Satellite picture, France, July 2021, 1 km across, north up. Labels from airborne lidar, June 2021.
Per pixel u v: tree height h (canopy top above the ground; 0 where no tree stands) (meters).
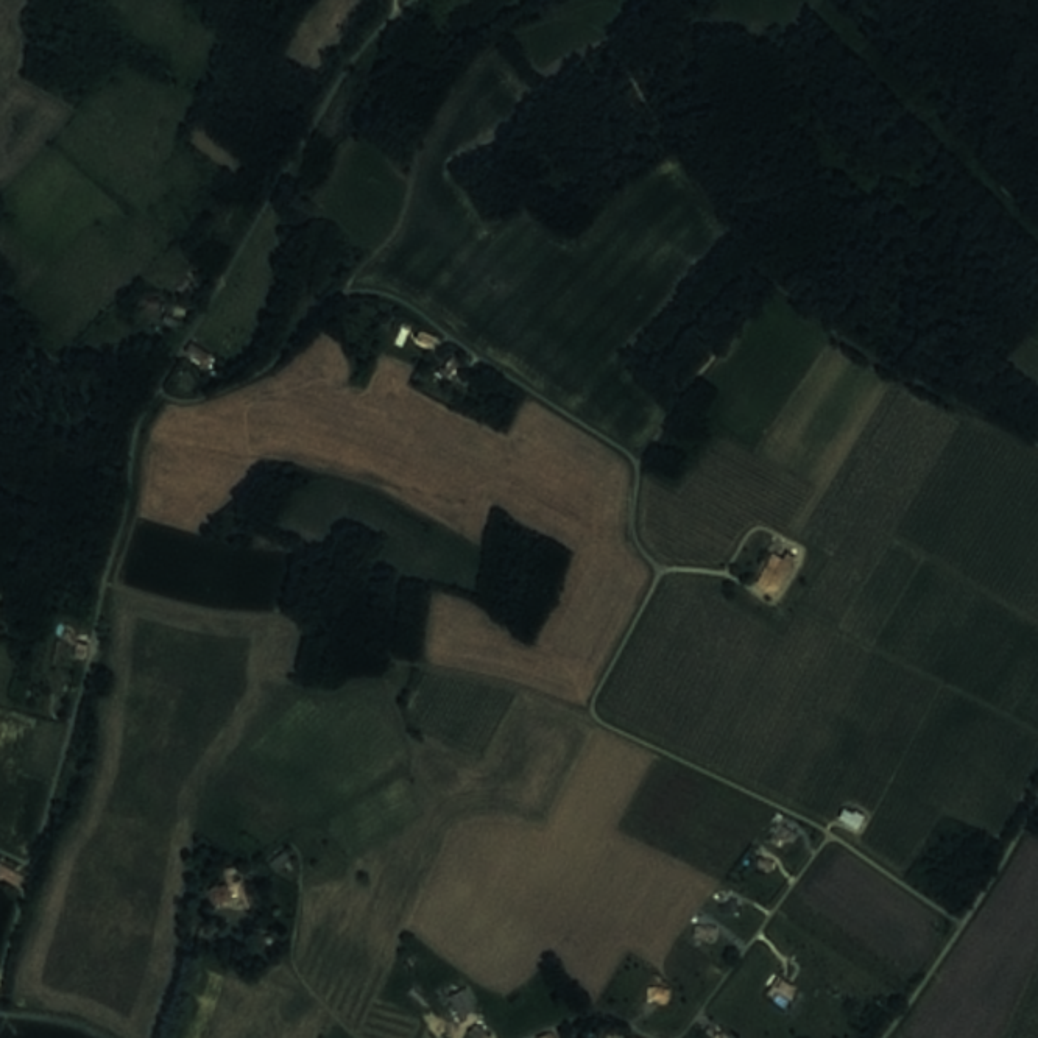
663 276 0
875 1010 7
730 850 0
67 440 22
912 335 20
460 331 0
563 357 0
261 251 0
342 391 0
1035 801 15
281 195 26
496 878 0
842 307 21
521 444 0
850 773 0
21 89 0
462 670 0
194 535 0
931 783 0
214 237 7
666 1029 0
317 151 9
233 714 0
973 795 0
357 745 0
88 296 0
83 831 0
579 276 0
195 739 0
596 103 19
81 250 0
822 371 0
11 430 20
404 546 0
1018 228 13
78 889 0
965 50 23
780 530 0
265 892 20
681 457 8
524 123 17
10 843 0
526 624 15
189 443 0
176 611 0
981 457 0
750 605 0
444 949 0
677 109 5
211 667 0
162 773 0
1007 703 0
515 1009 0
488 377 17
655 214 0
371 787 0
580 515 0
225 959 19
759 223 20
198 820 0
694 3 23
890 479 0
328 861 0
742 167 15
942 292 15
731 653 0
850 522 0
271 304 17
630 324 0
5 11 0
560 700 0
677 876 0
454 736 0
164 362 15
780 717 0
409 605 12
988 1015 0
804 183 20
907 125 18
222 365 6
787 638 0
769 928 0
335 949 0
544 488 0
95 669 10
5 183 0
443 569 0
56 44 16
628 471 0
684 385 14
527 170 19
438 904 0
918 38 15
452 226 0
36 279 0
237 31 18
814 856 0
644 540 0
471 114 0
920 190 10
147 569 0
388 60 15
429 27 15
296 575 16
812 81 17
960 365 23
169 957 0
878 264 28
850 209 24
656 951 0
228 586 0
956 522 0
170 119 0
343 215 0
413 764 0
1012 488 0
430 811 0
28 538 10
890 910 0
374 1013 0
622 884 0
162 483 0
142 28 0
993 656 0
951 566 0
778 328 0
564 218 16
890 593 0
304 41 0
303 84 23
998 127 17
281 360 10
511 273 0
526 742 0
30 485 18
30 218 0
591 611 0
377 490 0
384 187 0
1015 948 0
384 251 0
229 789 0
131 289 11
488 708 0
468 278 0
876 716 0
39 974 0
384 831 0
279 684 0
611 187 23
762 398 0
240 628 0
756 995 0
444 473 0
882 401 0
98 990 0
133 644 0
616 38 19
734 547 0
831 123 18
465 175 18
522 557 16
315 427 0
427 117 19
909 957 0
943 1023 0
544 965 9
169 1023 17
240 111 22
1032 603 0
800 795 0
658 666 0
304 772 0
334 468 0
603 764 0
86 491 20
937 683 0
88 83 6
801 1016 0
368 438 0
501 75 0
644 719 0
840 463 0
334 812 0
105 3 10
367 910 0
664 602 0
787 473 0
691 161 14
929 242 25
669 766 0
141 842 0
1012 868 0
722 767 0
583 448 0
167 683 0
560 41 0
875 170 8
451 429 0
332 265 6
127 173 0
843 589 0
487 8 8
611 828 0
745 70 23
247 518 12
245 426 0
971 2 22
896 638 0
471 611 0
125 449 19
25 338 12
